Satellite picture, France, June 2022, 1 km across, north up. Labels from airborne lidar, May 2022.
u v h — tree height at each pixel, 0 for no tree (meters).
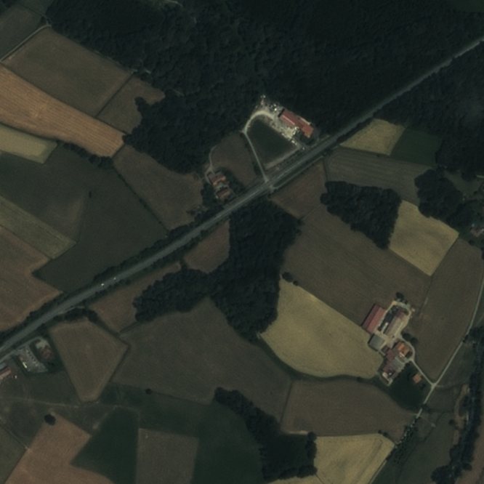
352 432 0
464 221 23
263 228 23
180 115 23
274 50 12
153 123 21
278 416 0
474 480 0
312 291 0
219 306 23
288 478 11
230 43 16
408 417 0
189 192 0
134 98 0
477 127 21
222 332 0
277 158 0
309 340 0
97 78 0
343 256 0
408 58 23
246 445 0
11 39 0
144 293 12
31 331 0
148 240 0
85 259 0
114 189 0
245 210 13
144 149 17
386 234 24
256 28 21
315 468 17
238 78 22
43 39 0
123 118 0
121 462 0
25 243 0
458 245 0
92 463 0
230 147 0
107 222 0
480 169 17
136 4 12
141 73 13
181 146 25
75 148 22
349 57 24
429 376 0
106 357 0
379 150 0
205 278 25
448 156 19
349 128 0
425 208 22
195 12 16
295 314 0
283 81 22
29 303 0
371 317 0
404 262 0
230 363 0
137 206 0
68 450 0
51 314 0
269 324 15
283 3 12
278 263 19
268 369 0
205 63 16
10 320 0
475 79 22
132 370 0
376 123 0
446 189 26
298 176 0
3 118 0
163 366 0
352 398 0
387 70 16
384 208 26
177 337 0
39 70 0
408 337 11
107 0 11
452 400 0
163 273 0
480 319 0
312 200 0
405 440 8
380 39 25
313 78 13
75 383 0
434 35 16
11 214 0
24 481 0
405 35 25
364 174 0
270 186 0
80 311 5
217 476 0
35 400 0
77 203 0
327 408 0
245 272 22
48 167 0
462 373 0
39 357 0
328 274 0
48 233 0
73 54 0
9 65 0
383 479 0
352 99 15
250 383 0
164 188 0
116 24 10
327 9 15
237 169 0
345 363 0
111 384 0
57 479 0
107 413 0
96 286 0
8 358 0
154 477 0
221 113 13
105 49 19
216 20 19
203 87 18
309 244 0
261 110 0
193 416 0
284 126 0
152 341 0
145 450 0
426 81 17
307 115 18
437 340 0
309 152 0
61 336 0
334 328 0
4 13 0
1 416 0
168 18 16
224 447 0
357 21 11
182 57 19
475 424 12
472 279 0
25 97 0
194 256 0
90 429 0
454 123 17
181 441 0
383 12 11
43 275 0
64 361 0
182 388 0
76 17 13
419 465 0
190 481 0
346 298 0
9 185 0
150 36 21
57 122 0
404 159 0
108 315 0
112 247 0
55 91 0
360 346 0
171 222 0
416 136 0
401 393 0
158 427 0
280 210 6
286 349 0
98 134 0
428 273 0
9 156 0
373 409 0
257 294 22
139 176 0
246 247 28
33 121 0
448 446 0
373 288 0
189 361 0
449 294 0
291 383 0
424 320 0
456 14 24
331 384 0
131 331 0
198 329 0
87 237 0
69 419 0
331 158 0
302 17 28
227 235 0
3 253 0
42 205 0
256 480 0
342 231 0
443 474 26
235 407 15
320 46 21
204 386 0
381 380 0
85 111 0
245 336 7
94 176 0
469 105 15
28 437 0
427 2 8
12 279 0
